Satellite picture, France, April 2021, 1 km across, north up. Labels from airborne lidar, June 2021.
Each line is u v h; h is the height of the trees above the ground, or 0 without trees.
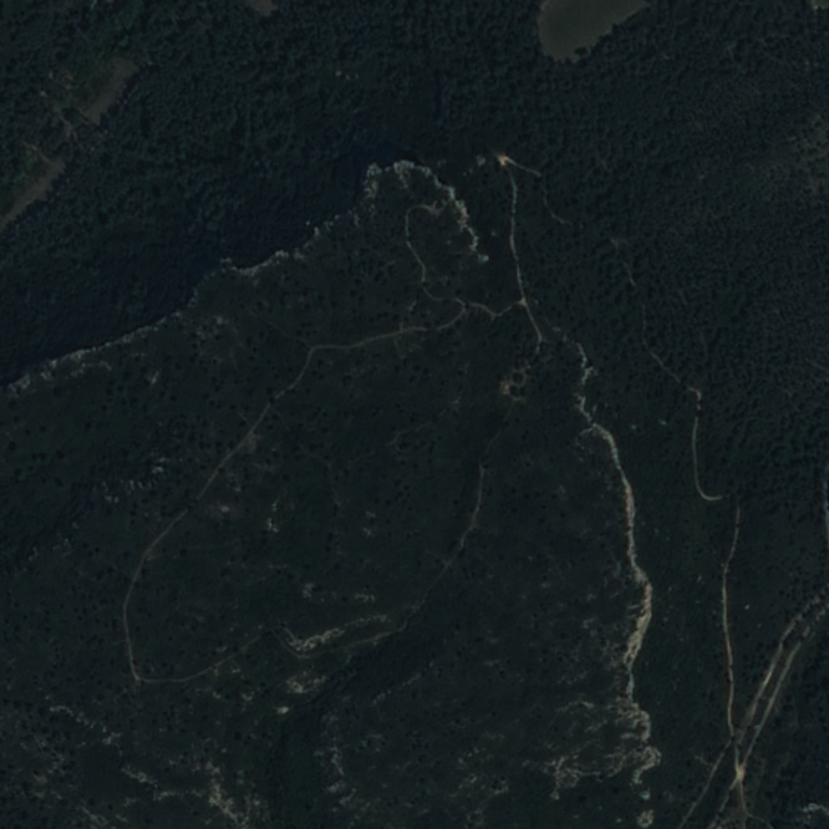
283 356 0
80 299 6
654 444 6
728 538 6
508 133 12
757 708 0
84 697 8
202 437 9
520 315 10
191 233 9
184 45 19
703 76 14
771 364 13
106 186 17
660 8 8
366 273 8
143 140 16
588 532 0
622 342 11
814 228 13
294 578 11
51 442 0
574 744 0
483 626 0
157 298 6
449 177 6
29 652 0
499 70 16
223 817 0
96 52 8
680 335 13
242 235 6
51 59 19
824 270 13
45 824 14
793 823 8
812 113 11
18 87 20
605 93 9
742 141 16
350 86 6
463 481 6
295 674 0
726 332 13
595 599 0
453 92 6
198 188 15
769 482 15
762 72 11
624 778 6
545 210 7
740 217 11
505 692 0
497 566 0
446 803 0
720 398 9
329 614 0
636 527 6
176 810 0
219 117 18
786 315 12
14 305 6
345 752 0
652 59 11
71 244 12
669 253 14
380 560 0
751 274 15
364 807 0
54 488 0
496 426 6
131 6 22
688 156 12
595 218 7
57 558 0
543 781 6
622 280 13
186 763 7
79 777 17
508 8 16
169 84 22
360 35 13
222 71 18
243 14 18
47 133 18
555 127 12
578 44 0
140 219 11
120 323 7
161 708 0
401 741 0
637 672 7
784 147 10
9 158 20
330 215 10
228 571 9
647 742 8
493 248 7
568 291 10
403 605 0
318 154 11
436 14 13
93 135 19
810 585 11
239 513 0
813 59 12
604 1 0
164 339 0
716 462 7
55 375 10
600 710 0
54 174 0
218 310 0
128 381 12
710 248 15
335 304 8
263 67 8
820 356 13
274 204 6
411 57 15
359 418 7
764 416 15
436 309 0
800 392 13
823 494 14
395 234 7
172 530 0
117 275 7
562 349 9
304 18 18
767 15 14
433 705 0
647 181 16
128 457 13
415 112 6
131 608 0
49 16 17
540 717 7
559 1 0
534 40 16
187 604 0
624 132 12
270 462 8
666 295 16
